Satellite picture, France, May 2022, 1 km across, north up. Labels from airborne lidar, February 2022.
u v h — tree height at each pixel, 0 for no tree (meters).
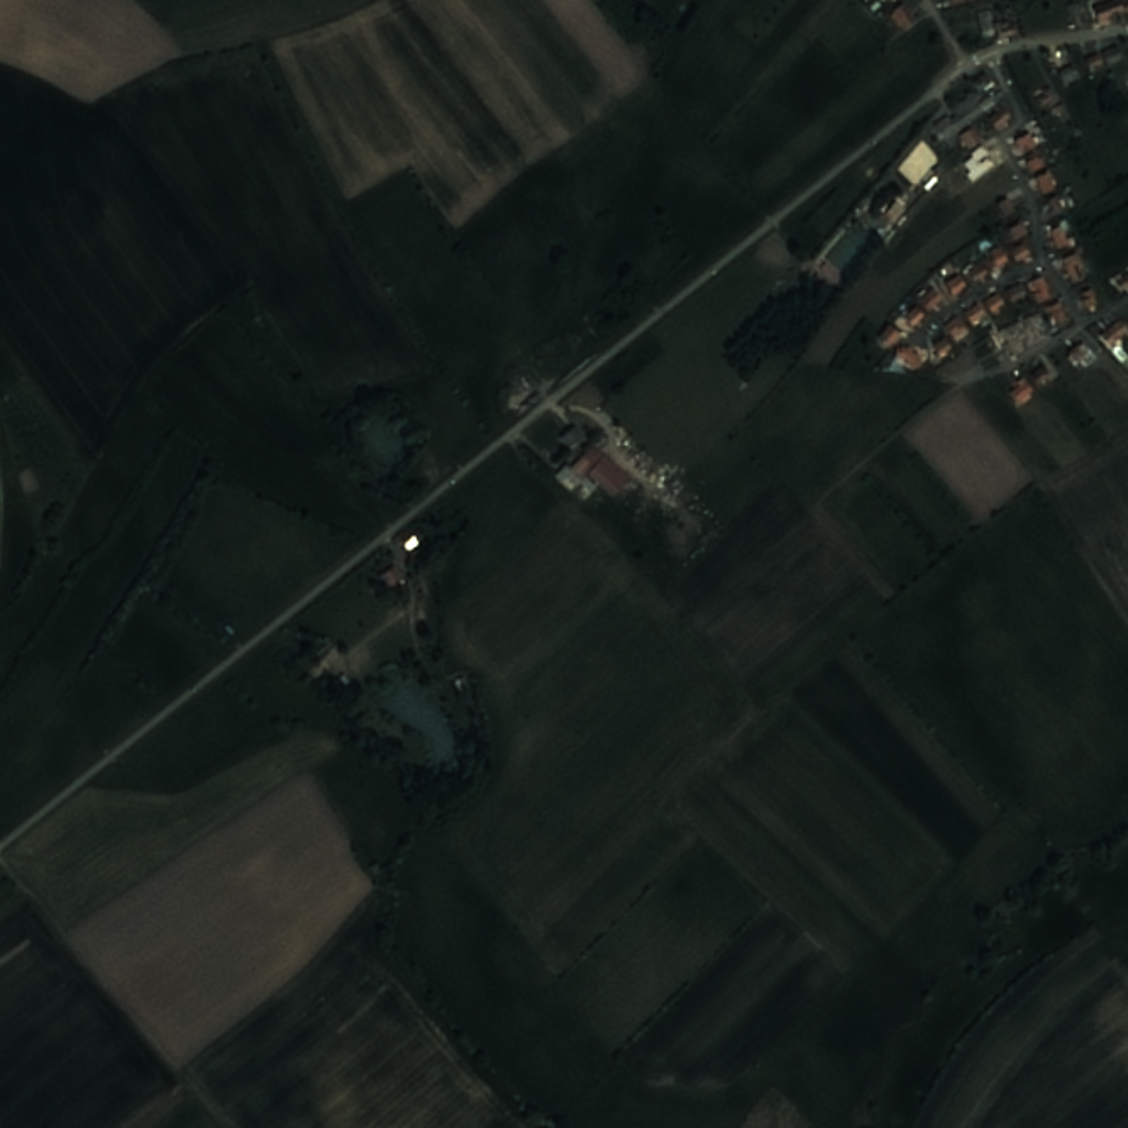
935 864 0
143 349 0
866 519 0
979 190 0
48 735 0
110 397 0
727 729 0
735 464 0
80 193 0
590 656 0
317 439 0
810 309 16
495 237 0
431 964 0
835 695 0
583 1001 0
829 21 0
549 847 0
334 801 0
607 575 0
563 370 0
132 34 0
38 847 0
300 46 0
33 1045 0
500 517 0
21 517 0
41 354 0
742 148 0
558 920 0
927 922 0
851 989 0
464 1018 0
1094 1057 0
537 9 0
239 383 0
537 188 0
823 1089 0
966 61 0
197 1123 0
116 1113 0
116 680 0
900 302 0
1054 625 0
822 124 0
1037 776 0
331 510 0
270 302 0
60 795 0
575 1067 0
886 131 0
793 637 0
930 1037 0
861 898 0
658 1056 0
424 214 0
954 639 0
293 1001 0
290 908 0
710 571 0
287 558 0
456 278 0
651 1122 0
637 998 0
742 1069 0
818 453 0
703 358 0
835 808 0
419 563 8
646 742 0
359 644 0
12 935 0
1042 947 0
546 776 0
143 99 0
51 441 0
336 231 0
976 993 0
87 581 0
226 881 0
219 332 0
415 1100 0
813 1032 0
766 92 0
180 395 0
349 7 0
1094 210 0
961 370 0
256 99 0
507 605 0
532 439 0
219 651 0
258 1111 0
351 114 0
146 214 0
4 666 0
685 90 0
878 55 0
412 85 0
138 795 0
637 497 0
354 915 0
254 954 0
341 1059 0
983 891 0
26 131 0
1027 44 0
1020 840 0
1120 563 0
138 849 0
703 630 0
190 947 0
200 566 0
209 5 0
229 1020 0
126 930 0
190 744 0
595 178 0
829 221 0
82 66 0
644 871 0
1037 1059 0
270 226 0
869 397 0
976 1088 0
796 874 0
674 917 0
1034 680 0
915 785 0
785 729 0
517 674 0
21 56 0
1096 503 0
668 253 0
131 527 0
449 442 0
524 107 0
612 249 0
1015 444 0
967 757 0
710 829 0
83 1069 0
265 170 0
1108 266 0
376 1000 0
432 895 0
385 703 0
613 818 0
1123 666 0
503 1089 0
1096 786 0
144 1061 0
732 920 0
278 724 9
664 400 0
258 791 0
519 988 0
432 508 0
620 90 0
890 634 0
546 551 0
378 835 0
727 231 0
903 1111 0
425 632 20
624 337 0
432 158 0
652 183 0
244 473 0
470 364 0
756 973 0
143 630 0
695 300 0
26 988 0
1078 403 0
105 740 0
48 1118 0
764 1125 0
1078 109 0
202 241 0
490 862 0
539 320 0
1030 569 0
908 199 0
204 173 0
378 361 0
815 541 0
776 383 0
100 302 0
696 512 0
